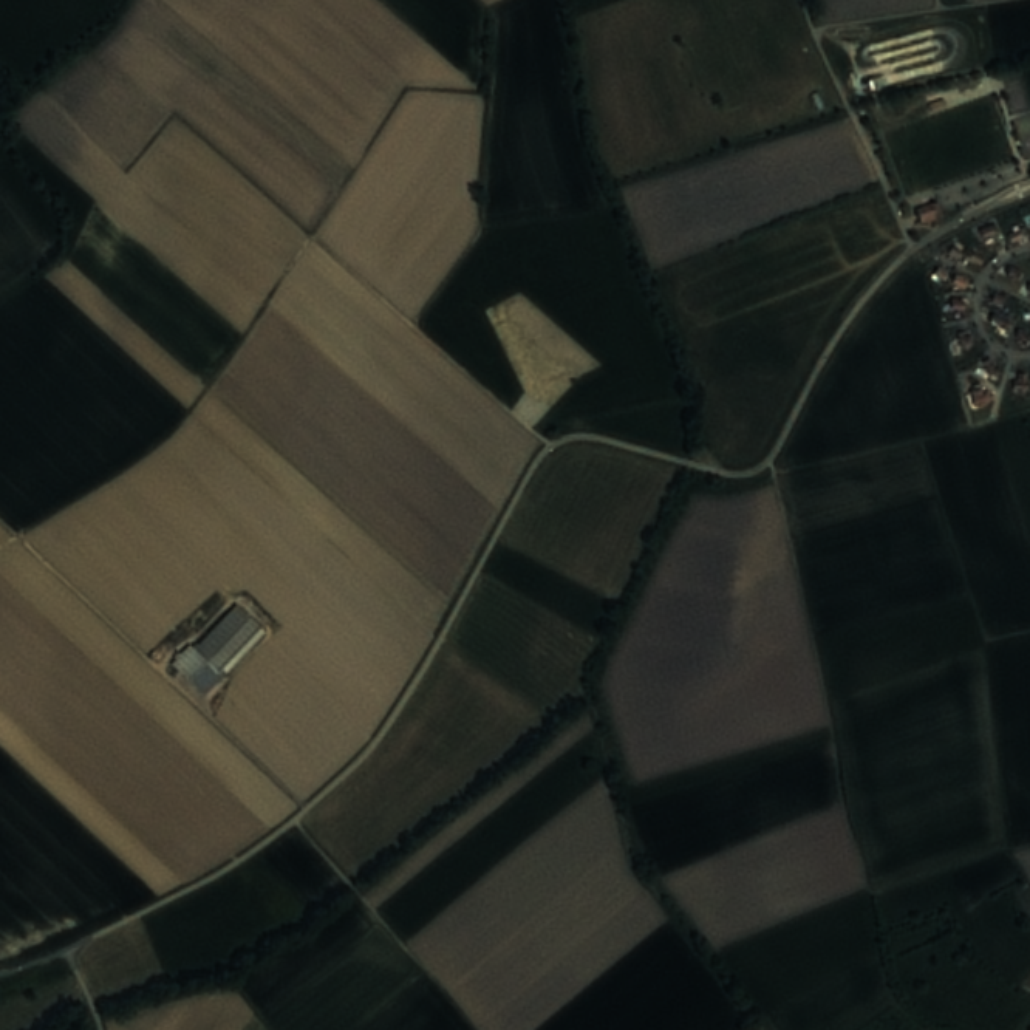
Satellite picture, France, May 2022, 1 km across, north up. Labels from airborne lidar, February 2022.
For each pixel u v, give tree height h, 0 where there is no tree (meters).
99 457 0
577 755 0
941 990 0
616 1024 0
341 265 0
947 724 0
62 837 0
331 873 0
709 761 0
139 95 0
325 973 0
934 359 0
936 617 0
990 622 0
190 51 0
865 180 0
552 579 0
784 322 0
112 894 0
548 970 0
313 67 0
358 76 0
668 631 0
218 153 0
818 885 0
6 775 0
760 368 0
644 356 0
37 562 0
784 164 0
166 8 0
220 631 0
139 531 0
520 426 0
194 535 0
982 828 0
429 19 0
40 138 0
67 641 0
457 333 0
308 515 0
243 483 0
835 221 0
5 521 0
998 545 0
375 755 0
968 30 0
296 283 0
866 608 0
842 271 0
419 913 0
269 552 0
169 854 0
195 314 0
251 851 0
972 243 0
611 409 0
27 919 0
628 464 0
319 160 0
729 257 0
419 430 0
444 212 0
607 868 0
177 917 0
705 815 0
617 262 0
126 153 0
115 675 0
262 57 0
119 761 0
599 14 0
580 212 0
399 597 0
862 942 0
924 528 0
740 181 0
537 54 0
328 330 0
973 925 0
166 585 0
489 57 8
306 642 0
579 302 0
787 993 0
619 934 0
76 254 0
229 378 0
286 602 0
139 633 0
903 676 0
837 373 0
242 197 0
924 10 0
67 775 0
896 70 0
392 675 0
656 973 0
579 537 0
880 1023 0
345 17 0
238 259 0
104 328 0
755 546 0
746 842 0
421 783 0
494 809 0
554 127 0
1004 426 0
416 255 0
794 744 0
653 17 0
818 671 0
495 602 0
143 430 0
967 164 0
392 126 0
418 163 0
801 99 0
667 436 0
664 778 0
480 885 0
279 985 0
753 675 0
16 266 0
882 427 0
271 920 0
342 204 0
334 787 0
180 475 0
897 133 0
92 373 0
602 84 0
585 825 0
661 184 0
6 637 0
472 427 0
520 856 0
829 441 0
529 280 0
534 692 0
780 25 0
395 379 0
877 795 0
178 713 0
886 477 0
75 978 0
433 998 0
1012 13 0
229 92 0
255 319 0
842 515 0
